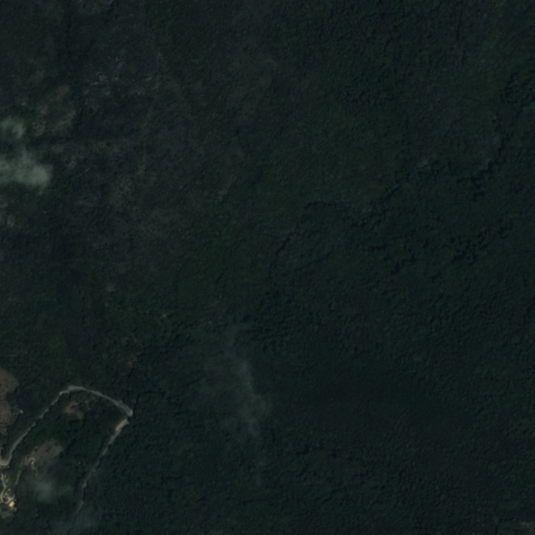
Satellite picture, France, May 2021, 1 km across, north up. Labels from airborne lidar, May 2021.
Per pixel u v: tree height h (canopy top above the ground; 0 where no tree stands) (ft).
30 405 37
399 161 56
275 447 43
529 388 18
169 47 33
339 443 32
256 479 50
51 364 48
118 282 25
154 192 20
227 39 25
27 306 31
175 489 48
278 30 37
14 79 26
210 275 43
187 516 29
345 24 84
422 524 46
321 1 28
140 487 25
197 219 18
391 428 21
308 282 31
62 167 33
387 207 41
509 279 44
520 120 54
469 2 43
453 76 29
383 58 48
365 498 40
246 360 48
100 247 28
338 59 33
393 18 93
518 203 34
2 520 31
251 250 38
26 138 58
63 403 51
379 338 38
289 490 29
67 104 18
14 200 32
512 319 31
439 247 56
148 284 34
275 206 30
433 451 19
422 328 40
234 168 41
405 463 31
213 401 21
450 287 52
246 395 23
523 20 30
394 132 57
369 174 51
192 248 20
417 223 47
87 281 52
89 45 18
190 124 28
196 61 36
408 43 50
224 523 52
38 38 34
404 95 53
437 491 37
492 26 25
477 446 22
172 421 50
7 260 36
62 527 41
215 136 21
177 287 38
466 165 68
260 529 37
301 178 39
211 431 31
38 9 35
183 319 35
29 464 27
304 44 30
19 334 20
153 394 52
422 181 45
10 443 22
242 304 43
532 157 44
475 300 39
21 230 23
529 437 19
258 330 19
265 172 33
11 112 29
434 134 25
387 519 29
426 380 31
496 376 35
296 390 25
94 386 35
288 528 45
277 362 54
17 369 31
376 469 44
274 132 23
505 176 49
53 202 72
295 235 55
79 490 53
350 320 31
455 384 30
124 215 33
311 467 50
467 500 28
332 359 19
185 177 31
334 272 41
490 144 18
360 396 22
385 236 39
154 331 29
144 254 23
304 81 21
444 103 32
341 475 59
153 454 33
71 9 42
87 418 37
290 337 22
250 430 53
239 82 21
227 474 31
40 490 30
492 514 29
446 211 66
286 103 27
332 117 37
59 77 32
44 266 37
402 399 20
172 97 26
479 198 63
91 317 55
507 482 22
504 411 21
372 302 27
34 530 80
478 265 62
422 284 56
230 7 18
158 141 26
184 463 28
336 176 26
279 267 52
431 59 29
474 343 23
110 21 41
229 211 22
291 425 28
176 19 26
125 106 28
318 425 20
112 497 22
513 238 55
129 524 69
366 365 21
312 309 67
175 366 41
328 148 33
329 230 30
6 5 18
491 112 74
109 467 34
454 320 30
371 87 94
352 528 24
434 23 43
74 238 40
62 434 21
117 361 36
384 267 56
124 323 35
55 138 40
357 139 39
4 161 34
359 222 74
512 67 78
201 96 18
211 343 68
